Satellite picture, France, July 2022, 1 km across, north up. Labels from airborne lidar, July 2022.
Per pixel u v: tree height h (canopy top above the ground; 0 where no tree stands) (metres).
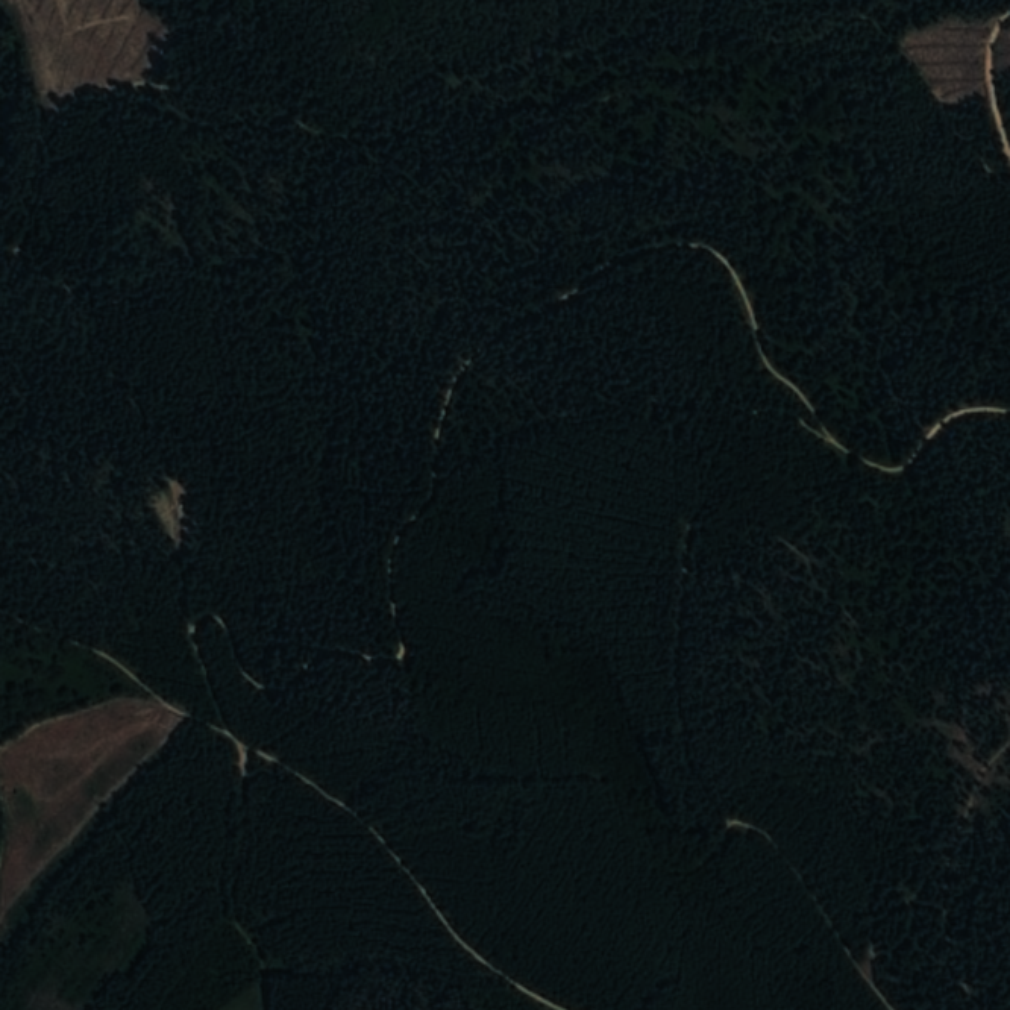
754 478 11
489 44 29
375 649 24
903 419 26
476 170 20
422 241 28
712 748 18
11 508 27
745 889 18
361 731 17
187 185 26
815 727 10
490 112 24
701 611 19
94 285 22
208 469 26
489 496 12
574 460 20
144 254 34
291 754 22
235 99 22
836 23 12
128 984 17
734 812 20
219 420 29
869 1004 17
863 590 13
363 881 18
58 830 0
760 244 24
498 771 8
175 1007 8
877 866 23
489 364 26
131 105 28
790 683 15
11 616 10
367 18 17
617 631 21
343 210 25
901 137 25
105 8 0
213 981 8
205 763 18
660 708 17
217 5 30
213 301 21
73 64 0
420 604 10
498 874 17
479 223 29
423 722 9
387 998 22
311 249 21
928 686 9
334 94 19
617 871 18
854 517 16
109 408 21
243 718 20
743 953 18
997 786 6
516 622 10
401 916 18
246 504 29
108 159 21
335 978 19
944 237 14
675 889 15
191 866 14
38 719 13
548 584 23
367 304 23
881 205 32
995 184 20
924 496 12
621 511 20
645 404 20
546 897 17
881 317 26
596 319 22
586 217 25
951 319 25
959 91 0
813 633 19
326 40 25
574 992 17
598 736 7
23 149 34
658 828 15
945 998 22
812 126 27
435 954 17
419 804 30
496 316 26
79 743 0
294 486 24
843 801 24
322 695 21
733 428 18
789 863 12
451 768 21
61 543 27
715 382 17
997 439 16
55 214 25
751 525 16
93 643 28
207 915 18
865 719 8
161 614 25
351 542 18
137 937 0
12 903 0
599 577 19
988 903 24
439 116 23
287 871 14
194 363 26
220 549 24
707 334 13
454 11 24
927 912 18
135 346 30
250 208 26
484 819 27
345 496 26
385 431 17
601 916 15
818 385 14
